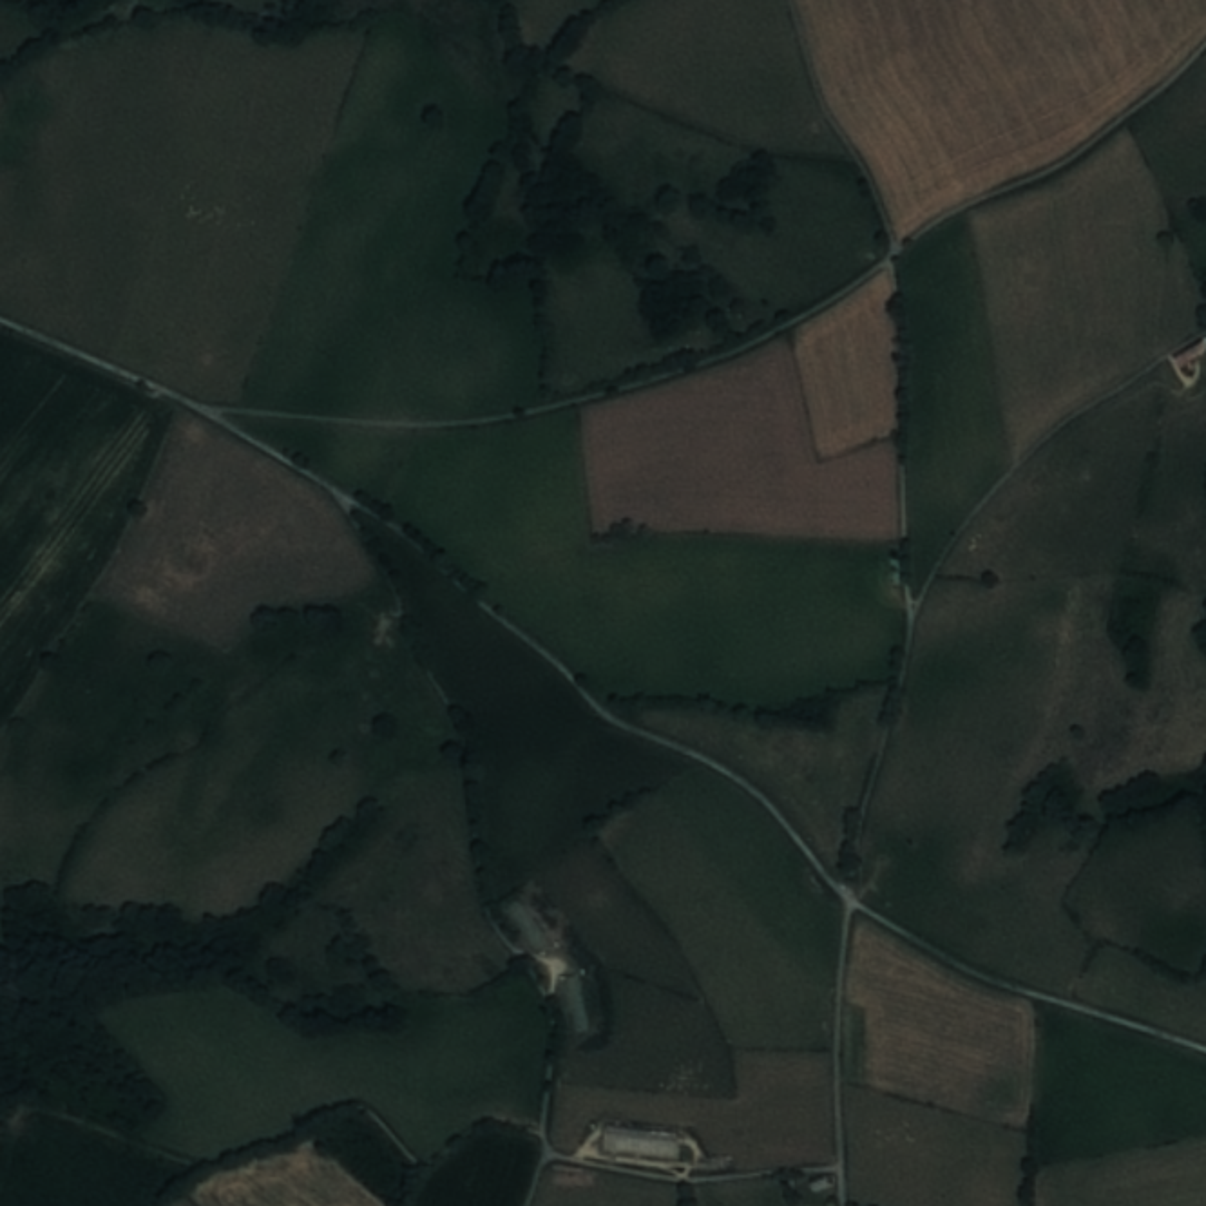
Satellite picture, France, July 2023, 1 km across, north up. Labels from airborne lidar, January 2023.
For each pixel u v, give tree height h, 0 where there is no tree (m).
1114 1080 0
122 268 0
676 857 0
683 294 14
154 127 0
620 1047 0
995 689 0
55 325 0
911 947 0
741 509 0
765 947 0
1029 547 0
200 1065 0
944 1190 0
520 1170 0
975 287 0
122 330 0
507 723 0
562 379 0
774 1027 0
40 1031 8
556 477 0
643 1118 0
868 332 0
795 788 0
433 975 0
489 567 0
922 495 0
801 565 0
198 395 0
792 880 0
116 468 0
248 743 0
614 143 0
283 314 0
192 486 0
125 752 0
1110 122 0
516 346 0
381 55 0
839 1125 0
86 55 0
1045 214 0
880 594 0
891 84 0
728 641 0
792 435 0
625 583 0
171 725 0
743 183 8
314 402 0
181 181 0
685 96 0
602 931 0
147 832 0
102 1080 7
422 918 0
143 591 0
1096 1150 0
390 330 0
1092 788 0
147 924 21
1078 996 0
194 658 0
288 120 0
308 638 0
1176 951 0
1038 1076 0
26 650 0
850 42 0
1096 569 0
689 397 0
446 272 0
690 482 0
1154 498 0
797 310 0
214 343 0
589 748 0
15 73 13
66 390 0
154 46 0
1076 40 0
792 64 0
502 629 0
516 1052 0
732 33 0
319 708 0
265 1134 0
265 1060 0
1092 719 0
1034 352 0
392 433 0
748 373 0
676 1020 0
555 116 0
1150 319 0
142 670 0
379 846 0
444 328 0
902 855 0
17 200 0
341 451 0
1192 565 0
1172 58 0
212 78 0
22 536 0
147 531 0
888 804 0
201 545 0
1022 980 0
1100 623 0
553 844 0
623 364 0
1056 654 0
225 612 0
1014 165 0
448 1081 0
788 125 0
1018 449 0
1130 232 0
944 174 0
